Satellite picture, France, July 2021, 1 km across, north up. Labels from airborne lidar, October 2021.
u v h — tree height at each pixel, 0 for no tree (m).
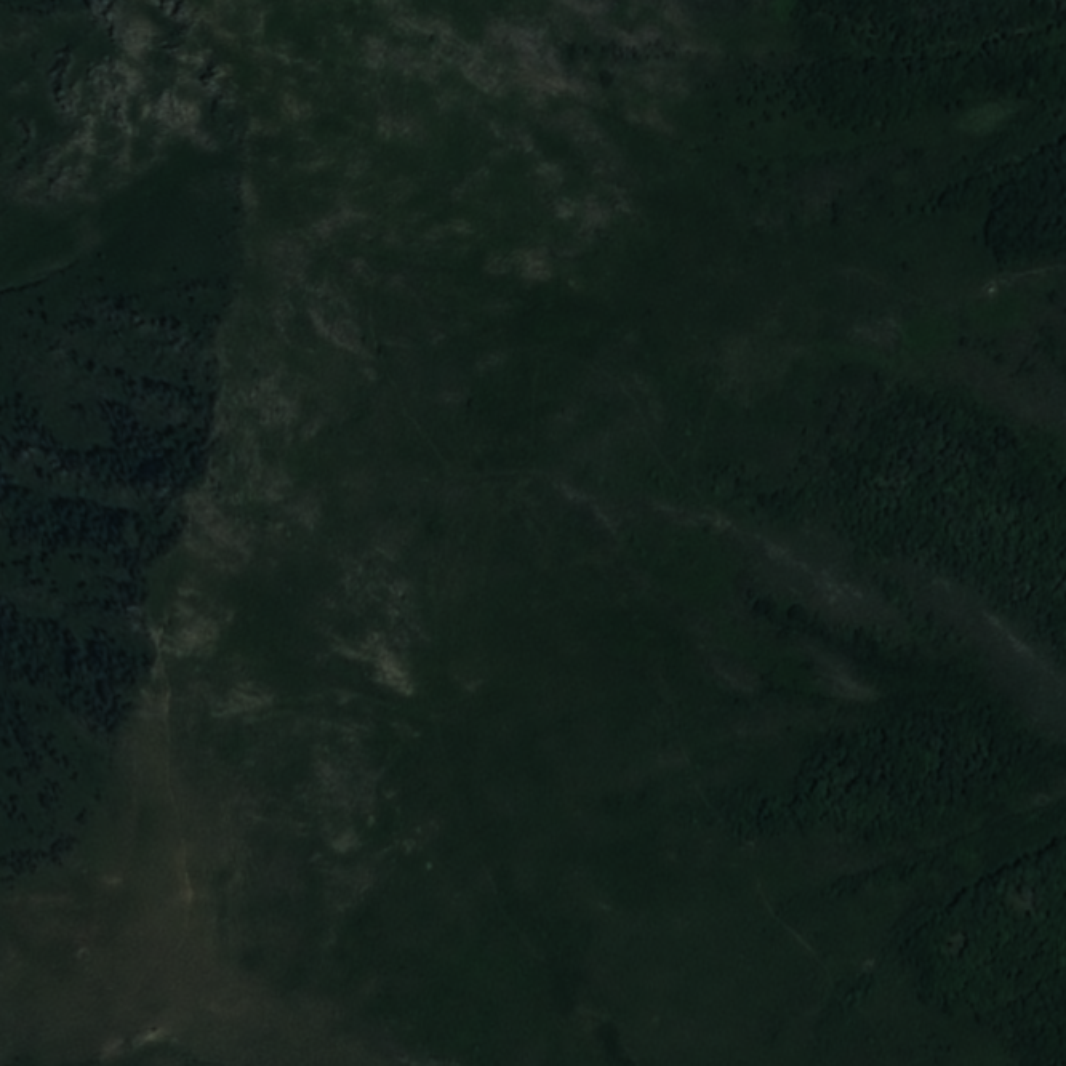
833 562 0
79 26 0
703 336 0
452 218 0
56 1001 0
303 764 0
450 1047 0
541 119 0
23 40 0
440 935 0
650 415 0
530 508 0
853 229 0
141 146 0
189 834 0
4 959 0
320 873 0
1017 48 17
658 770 0
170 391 12
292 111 0
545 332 0
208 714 0
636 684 0
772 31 0
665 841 0
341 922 0
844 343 0
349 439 0
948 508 18
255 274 0
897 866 7
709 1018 0
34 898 0
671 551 0
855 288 0
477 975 0
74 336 8
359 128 0
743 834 10
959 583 7
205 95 0
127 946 0
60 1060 0
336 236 0
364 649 0
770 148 0
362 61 0
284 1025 0
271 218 0
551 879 0
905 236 0
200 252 0
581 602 0
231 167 0
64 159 0
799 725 0
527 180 0
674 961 0
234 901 0
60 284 0
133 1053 0
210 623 0
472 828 0
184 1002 0
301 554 0
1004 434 22
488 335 0
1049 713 0
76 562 8
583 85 0
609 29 0
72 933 0
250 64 0
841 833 9
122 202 0
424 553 0
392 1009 0
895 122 11
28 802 0
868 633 10
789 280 0
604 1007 0
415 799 0
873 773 22
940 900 6
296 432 0
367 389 0
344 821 0
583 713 0
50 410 0
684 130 0
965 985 16
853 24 8
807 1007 0
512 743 0
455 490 0
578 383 0
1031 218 16
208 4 0
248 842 0
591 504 0
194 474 8
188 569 0
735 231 0
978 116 0
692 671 0
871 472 16
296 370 0
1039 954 18
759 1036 0
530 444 0
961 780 14
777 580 0
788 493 11
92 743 0
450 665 0
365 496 0
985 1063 0
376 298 0
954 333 0
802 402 0
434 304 0
